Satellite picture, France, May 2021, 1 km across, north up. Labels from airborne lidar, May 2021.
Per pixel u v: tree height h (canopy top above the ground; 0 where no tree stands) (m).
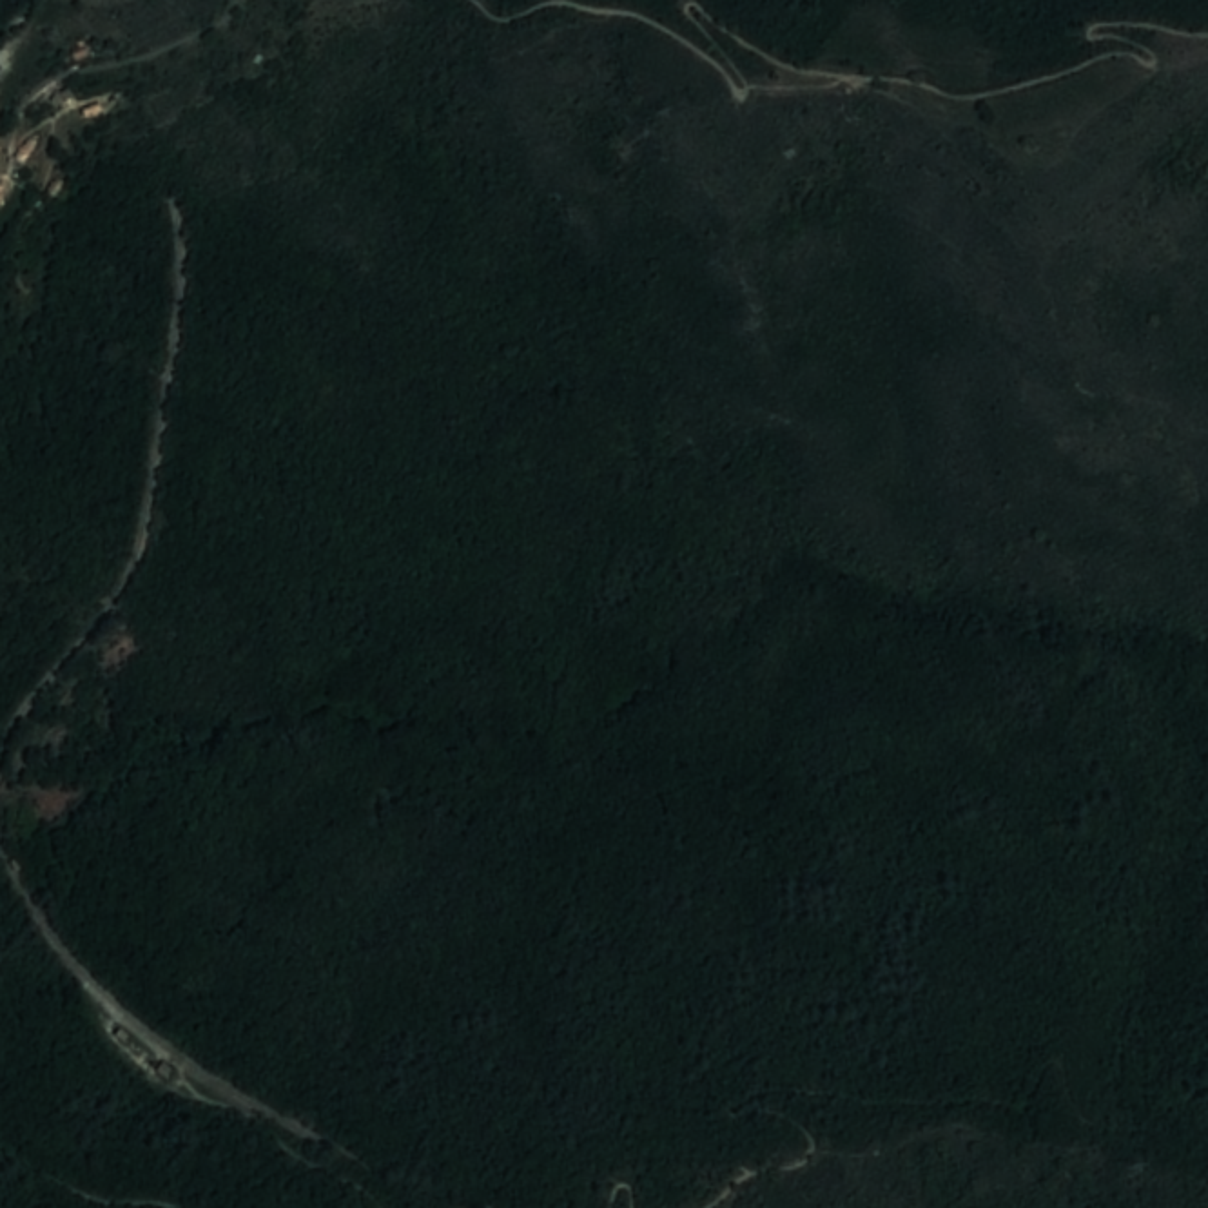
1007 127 0
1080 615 15
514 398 20
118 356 18
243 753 21
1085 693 19
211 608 12
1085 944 10
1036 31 8
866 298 6
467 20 6
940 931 10
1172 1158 7
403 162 15
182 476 14
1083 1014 7
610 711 13
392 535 12
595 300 11
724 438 7
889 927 22
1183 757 14
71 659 9
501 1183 8
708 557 17
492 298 13
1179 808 21
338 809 25
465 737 25
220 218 13
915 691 17
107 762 21
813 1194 13
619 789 22
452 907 16
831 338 6
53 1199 14
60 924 8
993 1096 7
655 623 15
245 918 20
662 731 16
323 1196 14
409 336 19
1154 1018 18
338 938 18
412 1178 19
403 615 14
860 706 19
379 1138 11
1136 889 12
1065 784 13
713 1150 5
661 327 7
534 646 15
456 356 20
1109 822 8
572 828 24
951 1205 7
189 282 10
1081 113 0
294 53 7
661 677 27
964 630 20
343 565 17
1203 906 16
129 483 14
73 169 10
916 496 7
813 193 13
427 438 10
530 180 6
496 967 23
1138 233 0
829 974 15
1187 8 6
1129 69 0
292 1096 16
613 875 18
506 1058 13
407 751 21
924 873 13
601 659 19
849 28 0
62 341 8
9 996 18
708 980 19
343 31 7
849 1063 15
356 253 7
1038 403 0
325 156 6
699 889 14
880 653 23
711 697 12
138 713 26
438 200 16
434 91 14
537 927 20
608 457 15
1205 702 18
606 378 14
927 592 15
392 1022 20
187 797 21
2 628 13
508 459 10
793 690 24
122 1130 17
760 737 19
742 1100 6
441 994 19
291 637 18
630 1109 16
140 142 7
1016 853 11
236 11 9
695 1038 13
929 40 0
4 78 0
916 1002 12
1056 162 0
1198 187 13
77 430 18
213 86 7
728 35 6
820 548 17
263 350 13
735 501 16
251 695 16
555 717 18
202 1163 16
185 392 14
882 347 7
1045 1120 10
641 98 9
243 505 8
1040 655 22
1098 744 11
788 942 14
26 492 14
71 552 7
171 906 12
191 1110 13
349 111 7
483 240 7
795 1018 11
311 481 20
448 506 19
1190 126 6
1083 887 8
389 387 10
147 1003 19
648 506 15
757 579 19
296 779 16
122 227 15
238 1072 15
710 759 13
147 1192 11
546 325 10
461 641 20
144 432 20
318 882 8
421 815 21
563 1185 11
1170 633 19
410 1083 15
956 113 0
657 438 14
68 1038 9
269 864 21
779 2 11
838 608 20
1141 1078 13
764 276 6
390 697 22
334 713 20
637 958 14
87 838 19
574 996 14
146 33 0
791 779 21
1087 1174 7
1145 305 6
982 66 0
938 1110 10
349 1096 18
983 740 15
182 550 13
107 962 22
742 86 0
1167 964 21
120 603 7
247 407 12
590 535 14
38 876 6
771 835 21
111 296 16
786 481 10
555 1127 9
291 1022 14
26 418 14
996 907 10
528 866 23
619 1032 9
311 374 8
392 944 16
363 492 21
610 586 22
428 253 11
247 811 17
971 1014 6
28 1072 20
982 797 12
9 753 15
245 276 18
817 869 12
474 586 14
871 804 19
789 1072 11
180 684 10
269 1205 17
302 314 8
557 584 15
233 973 13
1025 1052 10
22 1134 18
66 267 14
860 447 6
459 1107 12
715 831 18
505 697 19
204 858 14
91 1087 13
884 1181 7
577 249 13
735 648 24
